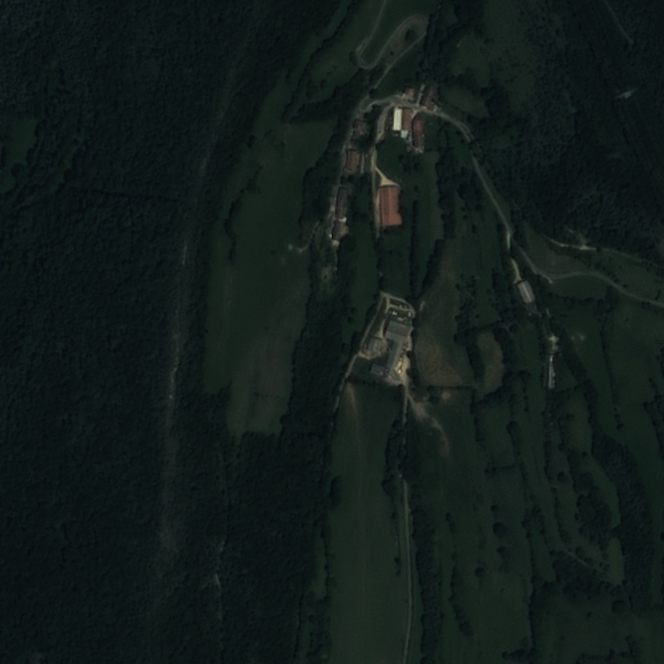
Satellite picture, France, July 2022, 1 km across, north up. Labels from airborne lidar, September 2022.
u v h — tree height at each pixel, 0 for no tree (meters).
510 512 0
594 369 0
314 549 16
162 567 7
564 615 0
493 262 0
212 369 0
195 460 17
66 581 16
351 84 7
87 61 23
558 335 13
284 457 19
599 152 23
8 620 19
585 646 0
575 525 0
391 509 0
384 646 0
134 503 15
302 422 19
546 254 0
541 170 14
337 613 0
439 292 0
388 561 0
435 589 18
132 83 14
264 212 0
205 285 10
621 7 11
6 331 13
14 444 12
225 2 17
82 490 14
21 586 27
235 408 0
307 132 0
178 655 19
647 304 11
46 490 20
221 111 6
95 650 13
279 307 0
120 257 20
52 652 19
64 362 14
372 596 0
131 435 15
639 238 10
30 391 12
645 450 0
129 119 13
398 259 0
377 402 0
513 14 0
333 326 17
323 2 24
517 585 0
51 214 14
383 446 0
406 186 0
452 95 0
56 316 18
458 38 13
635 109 8
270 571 18
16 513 22
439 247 12
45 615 17
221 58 13
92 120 14
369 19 0
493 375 0
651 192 6
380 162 0
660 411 12
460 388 7
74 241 16
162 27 12
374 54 0
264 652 18
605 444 18
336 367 18
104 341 17
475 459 0
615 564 0
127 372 14
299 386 17
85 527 21
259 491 16
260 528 21
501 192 15
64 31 20
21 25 19
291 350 0
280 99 0
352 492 0
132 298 19
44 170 26
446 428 0
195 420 19
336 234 0
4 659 20
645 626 0
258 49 21
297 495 15
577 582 17
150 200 23
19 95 23
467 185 15
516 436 18
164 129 13
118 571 10
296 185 0
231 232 18
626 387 0
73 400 18
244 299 0
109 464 16
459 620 7
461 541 0
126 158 16
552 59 6
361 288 0
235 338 0
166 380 6
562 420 10
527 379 15
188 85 14
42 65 21
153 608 8
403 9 0
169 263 13
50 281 16
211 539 9
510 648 0
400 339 0
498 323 9
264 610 15
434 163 0
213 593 12
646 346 0
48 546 24
